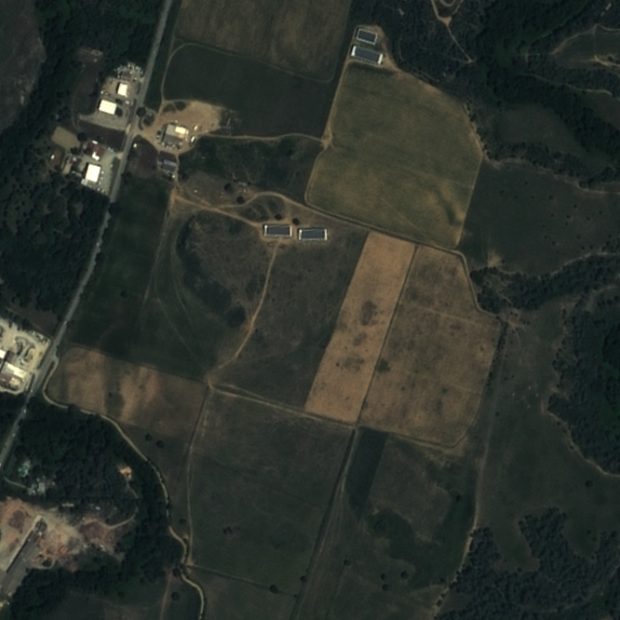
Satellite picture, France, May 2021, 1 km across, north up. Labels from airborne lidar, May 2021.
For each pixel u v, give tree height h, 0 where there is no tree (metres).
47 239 10
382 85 0
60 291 8
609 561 13
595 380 10
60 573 15
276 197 0
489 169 0
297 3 0
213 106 0
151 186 0
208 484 0
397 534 0
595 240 0
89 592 8
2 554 0
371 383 0
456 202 0
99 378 0
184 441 0
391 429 0
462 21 7
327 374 0
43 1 11
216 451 0
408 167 0
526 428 0
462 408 0
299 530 0
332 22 0
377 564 0
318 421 0
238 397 0
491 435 0
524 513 0
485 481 0
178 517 0
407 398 0
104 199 11
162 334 0
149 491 14
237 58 0
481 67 7
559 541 17
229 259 0
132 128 0
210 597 0
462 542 0
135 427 0
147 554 7
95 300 0
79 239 6
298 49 0
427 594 0
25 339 0
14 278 18
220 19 0
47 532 0
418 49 7
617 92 12
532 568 0
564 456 0
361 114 0
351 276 0
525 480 0
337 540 0
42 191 15
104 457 19
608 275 19
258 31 0
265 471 0
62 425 20
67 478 30
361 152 0
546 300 10
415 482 0
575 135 8
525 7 19
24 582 15
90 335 0
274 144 0
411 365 0
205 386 0
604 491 0
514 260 0
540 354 0
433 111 0
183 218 0
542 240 0
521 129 0
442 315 0
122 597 8
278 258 0
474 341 0
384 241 0
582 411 8
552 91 23
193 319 0
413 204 0
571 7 15
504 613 16
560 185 0
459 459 0
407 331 0
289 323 0
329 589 0
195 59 0
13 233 10
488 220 0
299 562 0
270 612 0
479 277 11
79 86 0
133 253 0
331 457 0
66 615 0
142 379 0
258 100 0
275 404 0
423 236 0
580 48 0
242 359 0
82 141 12
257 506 0
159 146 0
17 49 0
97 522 0
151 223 0
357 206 0
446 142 0
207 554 0
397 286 0
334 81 0
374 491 0
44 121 14
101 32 13
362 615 0
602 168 0
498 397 0
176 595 8
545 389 0
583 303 13
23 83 0
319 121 0
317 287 0
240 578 0
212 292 0
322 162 0
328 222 0
